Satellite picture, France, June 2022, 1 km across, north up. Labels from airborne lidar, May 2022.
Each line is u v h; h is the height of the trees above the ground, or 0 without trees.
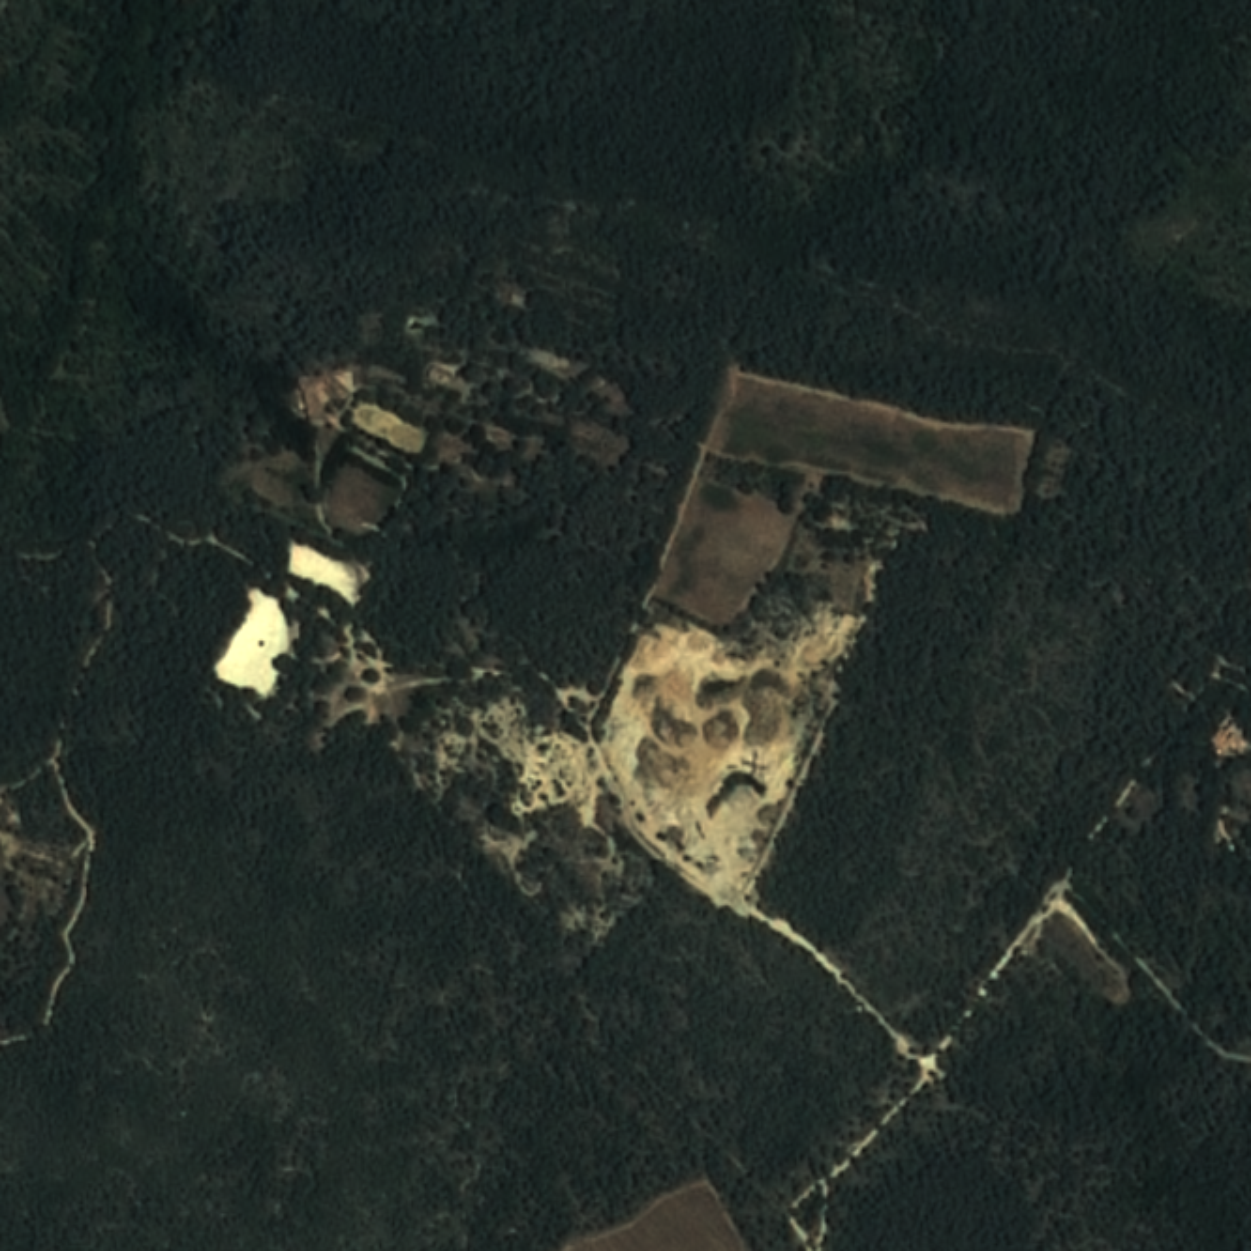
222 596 12
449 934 10
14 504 9
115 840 7
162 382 18
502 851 0
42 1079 8
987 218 13
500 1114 8
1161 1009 9
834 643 0
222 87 6
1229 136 17
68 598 7
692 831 0
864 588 0
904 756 7
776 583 9
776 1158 10
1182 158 9
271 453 8
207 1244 7
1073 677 8
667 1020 8
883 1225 13
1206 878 14
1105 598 20
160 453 17
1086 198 13
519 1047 10
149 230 7
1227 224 10
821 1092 7
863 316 12
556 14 22
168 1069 10
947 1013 11
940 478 0
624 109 15
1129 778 13
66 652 13
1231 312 6
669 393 18
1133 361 16
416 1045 8
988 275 12
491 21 19
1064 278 15
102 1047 10
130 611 11
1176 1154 6
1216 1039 7
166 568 14
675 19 17
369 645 7
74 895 9
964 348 7
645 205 6
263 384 17
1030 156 13
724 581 0
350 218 13
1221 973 14
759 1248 11
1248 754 8
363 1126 8
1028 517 11
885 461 0
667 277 10
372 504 0
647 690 0
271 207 14
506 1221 8
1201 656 18
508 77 19
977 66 18
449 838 13
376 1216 7
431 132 16
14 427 8
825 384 8
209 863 6
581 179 14
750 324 17
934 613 13
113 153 16
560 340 18
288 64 16
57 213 19
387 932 8
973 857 7
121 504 12
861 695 13
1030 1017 7
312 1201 7
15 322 14
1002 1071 14
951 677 7
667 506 9
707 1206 0
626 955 6
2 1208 8
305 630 10
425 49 16
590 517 16
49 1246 7
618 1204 12
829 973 8
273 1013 7
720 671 0
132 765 10
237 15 14
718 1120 10
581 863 0
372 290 14
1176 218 0
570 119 14
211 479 15
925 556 15
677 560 0
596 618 11
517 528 11
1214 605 13
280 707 12
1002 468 0
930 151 20
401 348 8
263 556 11
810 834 9
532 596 14
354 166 8
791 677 0
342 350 20
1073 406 15
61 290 8
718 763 0
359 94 14
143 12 15
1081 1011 12
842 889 12
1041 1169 14
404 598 13
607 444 0
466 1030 9
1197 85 14
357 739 9
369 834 8
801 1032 6
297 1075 7
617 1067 11
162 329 15
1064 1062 7
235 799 11
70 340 6
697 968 9
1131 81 20
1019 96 12
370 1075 7
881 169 11
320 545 13
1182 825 16
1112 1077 16
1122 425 17
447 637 14
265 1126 9
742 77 14
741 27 17
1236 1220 9
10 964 11
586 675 12
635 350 17
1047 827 12
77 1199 6
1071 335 12
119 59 19
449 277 6
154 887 8
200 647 11
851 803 11
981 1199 14
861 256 9
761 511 0
